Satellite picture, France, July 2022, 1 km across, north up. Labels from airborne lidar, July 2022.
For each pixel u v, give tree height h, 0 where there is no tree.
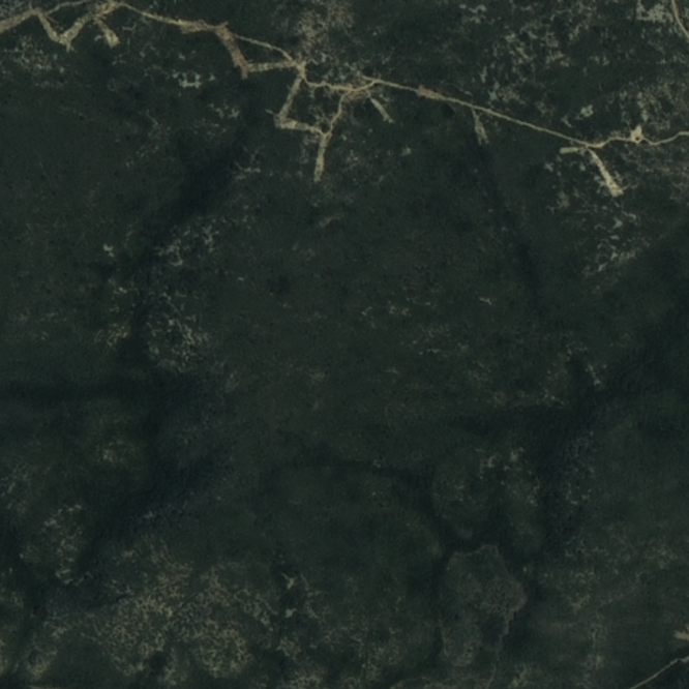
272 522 6
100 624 0
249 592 0
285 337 0
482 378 0
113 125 0
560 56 0
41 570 8
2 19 0
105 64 5
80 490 6
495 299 0
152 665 6
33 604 8
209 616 0
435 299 0
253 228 0
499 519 7
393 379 0
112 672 0
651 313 0
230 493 0
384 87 0
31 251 0
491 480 7
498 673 0
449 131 0
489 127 0
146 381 6
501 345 7
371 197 0
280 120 0
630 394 6
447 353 0
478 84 0
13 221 0
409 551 6
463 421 8
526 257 7
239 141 6
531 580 5
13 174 0
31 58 0
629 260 0
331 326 0
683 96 0
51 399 6
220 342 0
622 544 0
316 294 0
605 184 0
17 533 7
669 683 7
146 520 6
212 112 0
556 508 6
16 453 0
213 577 0
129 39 0
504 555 7
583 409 8
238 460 0
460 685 0
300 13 0
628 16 0
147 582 0
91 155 0
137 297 7
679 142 0
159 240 8
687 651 6
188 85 0
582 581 0
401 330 0
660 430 8
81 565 8
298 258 0
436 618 7
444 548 6
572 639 0
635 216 0
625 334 0
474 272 0
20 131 0
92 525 9
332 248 0
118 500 7
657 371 6
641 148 0
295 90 0
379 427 6
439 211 6
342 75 0
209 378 7
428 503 7
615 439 0
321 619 0
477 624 6
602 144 0
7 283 0
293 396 0
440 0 0
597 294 0
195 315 0
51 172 0
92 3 0
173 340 6
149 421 7
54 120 0
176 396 8
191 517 5
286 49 0
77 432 6
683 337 7
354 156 0
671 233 0
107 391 7
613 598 0
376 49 0
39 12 0
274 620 8
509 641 8
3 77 0
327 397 0
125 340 6
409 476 8
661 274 6
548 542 6
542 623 0
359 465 5
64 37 0
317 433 0
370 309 0
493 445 6
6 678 6
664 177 0
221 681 6
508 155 0
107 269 8
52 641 0
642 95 0
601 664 0
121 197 6
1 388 6
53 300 0
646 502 0
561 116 0
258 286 0
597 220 0
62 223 0
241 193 0
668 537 0
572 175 0
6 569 7
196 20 0
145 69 0
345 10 0
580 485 5
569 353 7
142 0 0
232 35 0
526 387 6
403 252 0
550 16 0
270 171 0
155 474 8
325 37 0
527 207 0
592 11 0
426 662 6
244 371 0
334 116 0
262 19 0
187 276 7
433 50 0
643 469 6
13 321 0
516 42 0
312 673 0
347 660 6
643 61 0
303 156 0
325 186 0
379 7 0
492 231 0
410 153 0
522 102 0
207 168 6
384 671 6
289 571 6
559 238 0
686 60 0
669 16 0
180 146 6
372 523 6
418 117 7
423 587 6
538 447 5
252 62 0
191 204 8
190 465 6
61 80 6
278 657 7
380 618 0
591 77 0
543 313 8
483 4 0
